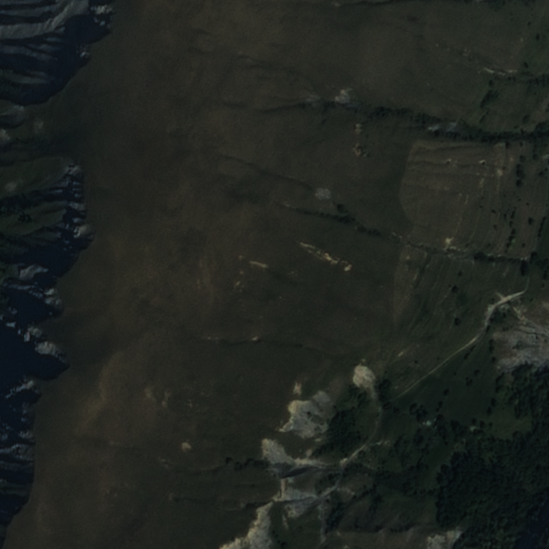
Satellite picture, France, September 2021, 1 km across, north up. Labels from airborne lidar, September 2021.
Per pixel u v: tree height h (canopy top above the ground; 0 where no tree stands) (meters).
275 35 0
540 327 0
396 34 0
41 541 0
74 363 0
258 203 0
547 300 0
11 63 0
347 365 0
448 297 0
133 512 0
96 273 0
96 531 0
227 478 0
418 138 0
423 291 0
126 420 0
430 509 0
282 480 0
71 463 0
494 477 17
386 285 0
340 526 0
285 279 0
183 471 0
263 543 0
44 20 0
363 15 0
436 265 0
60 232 0
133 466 0
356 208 0
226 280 0
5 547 0
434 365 0
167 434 0
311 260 0
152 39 0
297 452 0
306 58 0
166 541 0
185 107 0
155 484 0
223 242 0
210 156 0
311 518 0
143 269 0
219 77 0
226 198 0
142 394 0
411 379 0
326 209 0
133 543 0
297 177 0
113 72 0
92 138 0
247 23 0
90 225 0
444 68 0
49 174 0
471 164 0
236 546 0
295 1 0
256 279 0
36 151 0
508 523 7
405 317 0
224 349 0
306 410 0
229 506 0
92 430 0
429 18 0
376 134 0
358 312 0
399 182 0
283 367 0
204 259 0
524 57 0
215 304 0
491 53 0
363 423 0
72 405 0
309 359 0
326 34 0
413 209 0
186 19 0
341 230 0
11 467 0
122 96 0
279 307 0
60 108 0
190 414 0
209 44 0
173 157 0
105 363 0
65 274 0
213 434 0
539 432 18
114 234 0
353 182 0
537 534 0
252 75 0
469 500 21
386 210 0
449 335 0
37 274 0
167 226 0
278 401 0
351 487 0
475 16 0
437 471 0
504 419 0
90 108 0
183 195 0
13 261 0
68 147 0
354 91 0
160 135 0
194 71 0
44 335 0
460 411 0
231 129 0
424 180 0
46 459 0
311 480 0
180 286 0
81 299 0
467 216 0
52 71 0
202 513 0
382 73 0
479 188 0
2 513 0
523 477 12
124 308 0
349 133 0
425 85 0
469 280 0
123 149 0
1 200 0
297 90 0
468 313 0
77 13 0
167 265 0
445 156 0
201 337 0
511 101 0
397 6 0
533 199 0
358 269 0
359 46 0
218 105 0
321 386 0
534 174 0
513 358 0
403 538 0
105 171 0
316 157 0
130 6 0
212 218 0
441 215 0
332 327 0
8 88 0
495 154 0
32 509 0
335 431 9
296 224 0
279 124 0
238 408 0
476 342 0
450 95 0
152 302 0
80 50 0
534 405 22
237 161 0
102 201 0
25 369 0
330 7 0
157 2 0
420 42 0
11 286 0
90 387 0
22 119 0
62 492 0
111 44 0
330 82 0
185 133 0
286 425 0
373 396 0
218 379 0
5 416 0
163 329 0
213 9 0
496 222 0
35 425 0
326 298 0
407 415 0
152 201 0
